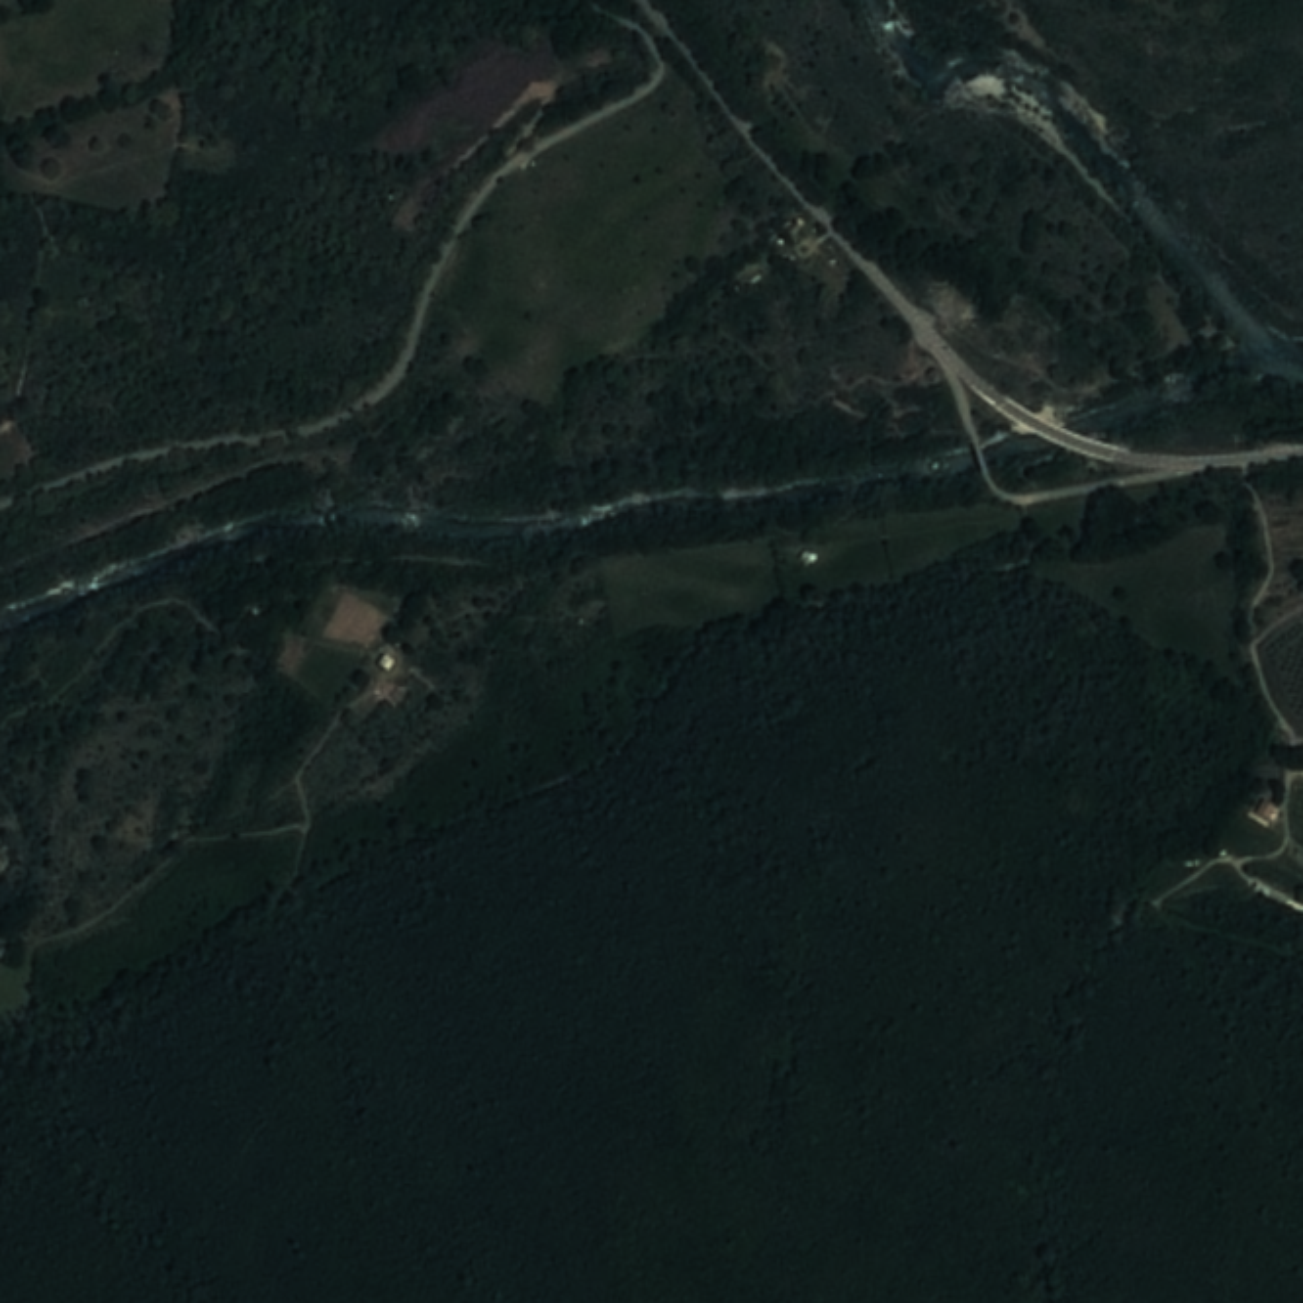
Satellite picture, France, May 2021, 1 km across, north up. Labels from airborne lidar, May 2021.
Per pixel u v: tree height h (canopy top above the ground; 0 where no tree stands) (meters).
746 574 0
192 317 13
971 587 12
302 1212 6
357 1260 6
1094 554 12
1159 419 7
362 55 10
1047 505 0
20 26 0
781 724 12
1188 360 24
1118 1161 6
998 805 7
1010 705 14
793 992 10
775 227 9
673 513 18
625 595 0
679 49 13
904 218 13
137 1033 11
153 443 8
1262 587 0
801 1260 8
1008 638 8
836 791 10
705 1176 6
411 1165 8
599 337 0
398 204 7
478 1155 8
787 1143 10
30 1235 7
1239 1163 6
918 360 0
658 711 15
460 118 0
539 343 0
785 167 13
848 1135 8
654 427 5
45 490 10
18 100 0
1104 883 11
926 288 0
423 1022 6
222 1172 5
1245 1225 7
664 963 7
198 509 11
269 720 8
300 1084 9
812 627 15
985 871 8
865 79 0
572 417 8
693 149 0
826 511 15
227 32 18
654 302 0
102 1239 8
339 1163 6
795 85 0
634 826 9
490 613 8
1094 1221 7
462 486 9
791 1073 11
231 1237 6
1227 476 11
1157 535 12
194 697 10
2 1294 5
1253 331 0
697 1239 8
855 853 9
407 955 8
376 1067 8
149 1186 7
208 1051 9
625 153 0
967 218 9
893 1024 15
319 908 9
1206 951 9
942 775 6
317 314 10
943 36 6
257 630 16
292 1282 7
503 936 7
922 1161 9
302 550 20
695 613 0
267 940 7
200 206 10
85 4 0
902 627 8
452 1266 7
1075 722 15
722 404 10
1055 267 8
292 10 14
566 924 11
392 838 9
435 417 12
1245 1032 11
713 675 9
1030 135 6
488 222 13
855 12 10
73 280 0
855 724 8
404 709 7
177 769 6
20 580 13
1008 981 9
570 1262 7
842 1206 9
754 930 9
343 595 0
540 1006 8
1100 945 9
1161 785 8
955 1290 7
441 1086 7
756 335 15
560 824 8
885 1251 8
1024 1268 11
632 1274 6
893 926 6
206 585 12
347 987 9
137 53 0
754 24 10
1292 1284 8
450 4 11
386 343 8
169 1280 8
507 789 8
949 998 9
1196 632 0
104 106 10
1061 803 10
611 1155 7
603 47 0
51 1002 8
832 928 11
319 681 0
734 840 12
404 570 10
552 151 0
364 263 10
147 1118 8
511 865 8
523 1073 8
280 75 10
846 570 0
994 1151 8
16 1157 8
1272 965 9
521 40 8
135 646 6
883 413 9
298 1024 9
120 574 0
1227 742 12
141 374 10
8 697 8
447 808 8
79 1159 8
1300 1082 10
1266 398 9
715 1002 7
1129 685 9
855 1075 8
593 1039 8
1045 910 8
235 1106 8
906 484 17
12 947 12
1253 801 8
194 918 6
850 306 10
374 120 0
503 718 6
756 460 12
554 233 0
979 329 0
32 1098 11
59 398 10
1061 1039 12
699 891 7
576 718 6
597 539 13
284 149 0
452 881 8
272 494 15
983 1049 8
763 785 8
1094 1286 7
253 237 9
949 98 0
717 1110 9
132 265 10
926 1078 7
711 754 14
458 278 0
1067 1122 14
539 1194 7
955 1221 10
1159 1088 7
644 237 0
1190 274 18
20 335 0
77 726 12
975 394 0
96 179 0
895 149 12
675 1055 8
